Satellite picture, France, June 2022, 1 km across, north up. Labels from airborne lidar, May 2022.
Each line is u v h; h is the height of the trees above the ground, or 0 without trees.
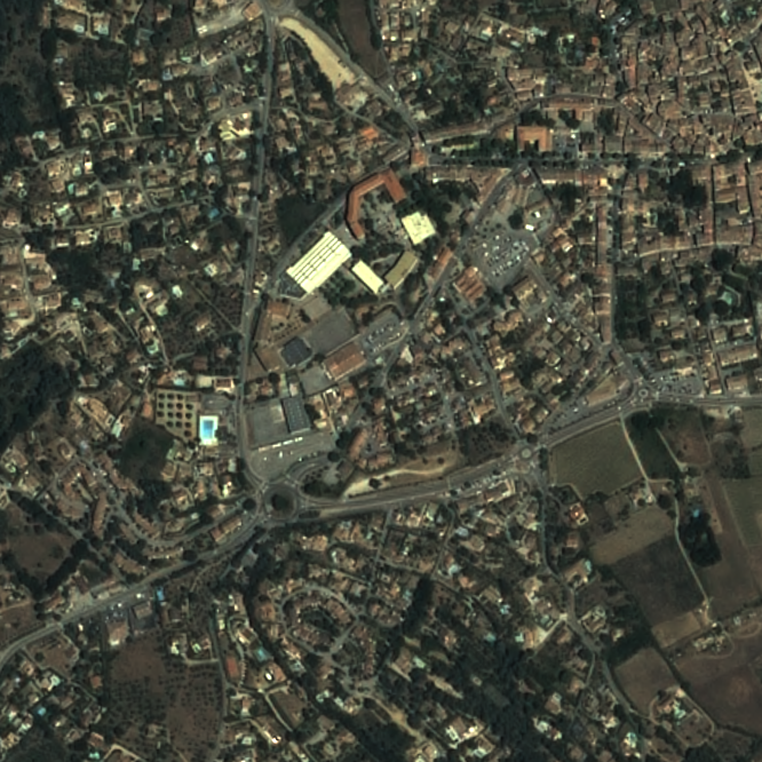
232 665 0
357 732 9
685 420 0
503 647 16
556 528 12
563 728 26
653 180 17
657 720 0
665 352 0
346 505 0
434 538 10
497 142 12
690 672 0
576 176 0
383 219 0
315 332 0
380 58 0
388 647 9
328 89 9
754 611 0
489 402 0
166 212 12
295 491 0
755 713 0
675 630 0
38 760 6
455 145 13
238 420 0
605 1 0
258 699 8
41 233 12
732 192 0
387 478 7
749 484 0
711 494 0
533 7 8
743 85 0
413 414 8
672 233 7
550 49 6
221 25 0
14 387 10
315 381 0
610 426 0
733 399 0
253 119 5
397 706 11
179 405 9
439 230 10
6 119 21
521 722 22
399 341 0
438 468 0
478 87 6
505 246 0
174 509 9
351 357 0
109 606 0
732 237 0
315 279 0
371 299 14
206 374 8
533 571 16
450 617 12
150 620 0
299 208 0
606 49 12
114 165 15
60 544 0
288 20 0
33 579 11
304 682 21
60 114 9
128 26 7
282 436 0
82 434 0
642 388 0
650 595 0
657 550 0
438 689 7
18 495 10
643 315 6
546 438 0
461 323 16
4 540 13
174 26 11
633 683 0
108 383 6
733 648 0
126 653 0
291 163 7
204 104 5
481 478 0
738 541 0
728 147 0
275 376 10
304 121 6
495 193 0
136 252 8
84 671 12
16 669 6
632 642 6
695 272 14
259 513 0
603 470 0
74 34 16
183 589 10
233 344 9
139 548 11
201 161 17
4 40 16
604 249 0
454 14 7
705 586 0
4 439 16
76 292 10
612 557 0
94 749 5
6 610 0
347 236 0
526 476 0
